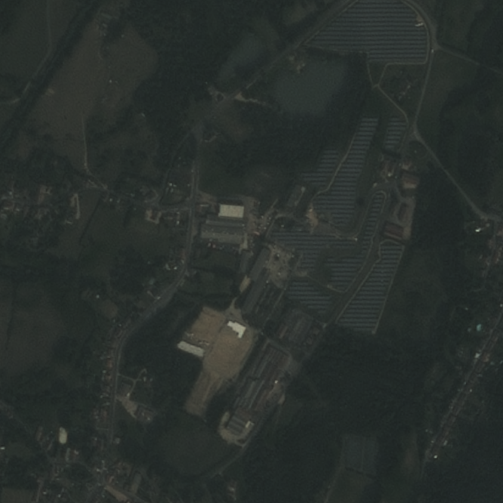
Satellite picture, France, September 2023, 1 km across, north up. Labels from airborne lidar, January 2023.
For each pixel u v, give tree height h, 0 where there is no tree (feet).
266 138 35
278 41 0
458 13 0
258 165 0
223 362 0
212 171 0
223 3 72
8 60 0
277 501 69
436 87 0
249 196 0
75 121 0
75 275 59
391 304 0
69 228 0
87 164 0
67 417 52
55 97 0
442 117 36
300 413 23
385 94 0
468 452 43
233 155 22
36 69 0
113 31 74
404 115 0
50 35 0
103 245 0
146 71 0
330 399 22
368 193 0
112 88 0
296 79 0
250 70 66
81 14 28
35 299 0
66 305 0
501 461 76
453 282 64
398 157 31
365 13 0
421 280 0
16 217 0
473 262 0
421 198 53
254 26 0
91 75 0
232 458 0
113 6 0
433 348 65
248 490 21
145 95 59
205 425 29
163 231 0
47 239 30
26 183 0
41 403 24
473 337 0
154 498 0
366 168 0
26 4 0
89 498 0
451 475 59
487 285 19
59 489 20
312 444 19
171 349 24
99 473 0
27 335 0
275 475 23
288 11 0
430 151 0
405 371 29
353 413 28
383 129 0
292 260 0
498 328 19
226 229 0
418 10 0
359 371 26
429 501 48
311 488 29
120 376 0
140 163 0
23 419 25
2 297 0
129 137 0
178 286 0
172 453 0
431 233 65
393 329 0
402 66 0
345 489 0
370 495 68
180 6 75
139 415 0
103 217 0
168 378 65
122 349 0
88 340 24
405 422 51
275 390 0
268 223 0
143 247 0
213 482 40
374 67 0
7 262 0
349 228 0
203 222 0
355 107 47
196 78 72
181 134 21
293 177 24
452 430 0
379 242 0
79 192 0
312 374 24
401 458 0
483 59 63
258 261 0
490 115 0
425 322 0
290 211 0
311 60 0
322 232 0
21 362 0
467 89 42
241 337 0
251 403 0
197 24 56
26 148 0
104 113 0
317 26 0
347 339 37
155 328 36
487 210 22
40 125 0
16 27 0
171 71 67
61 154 0
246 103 46
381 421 51
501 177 0
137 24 30
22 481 47
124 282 57
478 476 73
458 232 55
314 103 0
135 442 0
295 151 55
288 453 37
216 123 0
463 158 64
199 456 0
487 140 49
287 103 0
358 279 0
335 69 0
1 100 23
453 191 22
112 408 0
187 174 0
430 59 0
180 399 47
